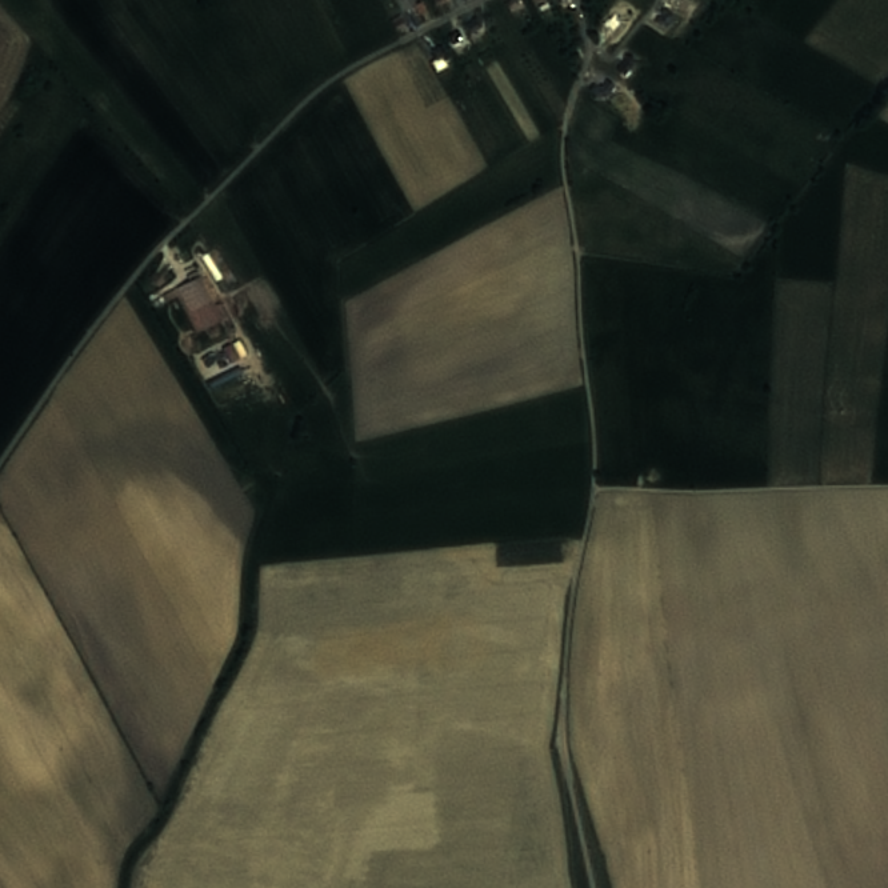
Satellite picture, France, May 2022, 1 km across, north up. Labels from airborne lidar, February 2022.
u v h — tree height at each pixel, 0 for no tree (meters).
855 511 0
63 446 0
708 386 0
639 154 0
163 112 0
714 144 0
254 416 0
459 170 0
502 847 0
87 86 0
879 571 0
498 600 0
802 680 0
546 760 0
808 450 0
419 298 0
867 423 0
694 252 0
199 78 0
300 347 0
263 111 0
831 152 0
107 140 0
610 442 0
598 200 0
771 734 0
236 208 0
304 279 0
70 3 0
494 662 0
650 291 0
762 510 0
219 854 0
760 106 0
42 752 0
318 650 0
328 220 0
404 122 0
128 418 0
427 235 0
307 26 0
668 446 0
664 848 0
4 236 0
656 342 0
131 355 0
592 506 0
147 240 0
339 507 0
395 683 0
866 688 0
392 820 0
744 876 0
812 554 0
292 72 0
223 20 0
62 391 0
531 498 0
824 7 0
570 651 0
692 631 0
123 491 0
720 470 0
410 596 0
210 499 0
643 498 0
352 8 0
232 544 0
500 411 0
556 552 0
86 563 0
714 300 0
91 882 0
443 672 0
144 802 0
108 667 0
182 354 7
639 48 0
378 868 0
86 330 0
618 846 0
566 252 0
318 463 0
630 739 0
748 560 0
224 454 0
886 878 0
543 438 0
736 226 0
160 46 0
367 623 0
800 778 0
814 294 0
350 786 0
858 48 0
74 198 0
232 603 0
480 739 0
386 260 0
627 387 0
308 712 0
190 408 0
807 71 0
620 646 0
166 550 0
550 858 0
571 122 0
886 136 0
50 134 0
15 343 0
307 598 0
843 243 0
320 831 0
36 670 0
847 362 0
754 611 0
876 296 0
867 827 0
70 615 0
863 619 0
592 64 0
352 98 0
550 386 0
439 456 0
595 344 0
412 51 0
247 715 0
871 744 0
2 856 0
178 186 0
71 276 0
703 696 0
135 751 0
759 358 0
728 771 0
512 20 0
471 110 0
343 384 0
